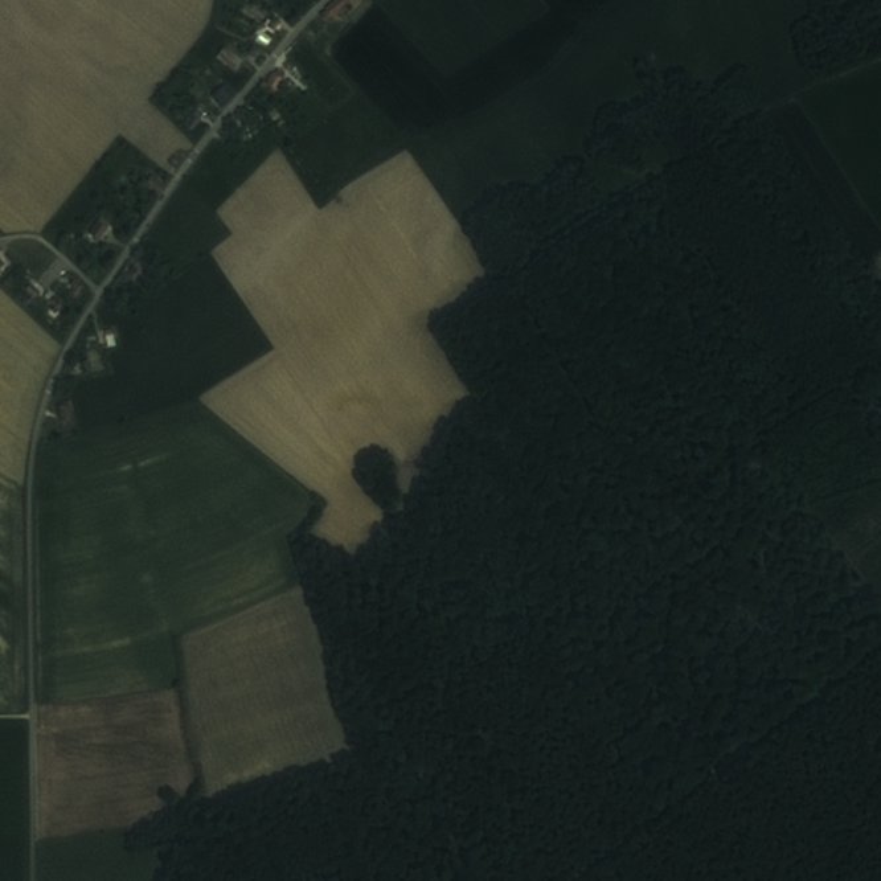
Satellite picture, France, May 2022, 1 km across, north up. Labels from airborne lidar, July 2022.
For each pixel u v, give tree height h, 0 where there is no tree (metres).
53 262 0
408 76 0
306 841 22
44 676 0
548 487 31
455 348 25
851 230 0
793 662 32
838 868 25
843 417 8
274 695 0
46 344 0
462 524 32
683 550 28
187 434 0
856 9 18
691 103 23
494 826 25
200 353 0
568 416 26
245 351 0
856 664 20
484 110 0
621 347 26
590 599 28
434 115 0
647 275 26
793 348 9
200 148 0
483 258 20
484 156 0
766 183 25
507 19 0
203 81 0
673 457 27
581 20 0
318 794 27
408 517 15
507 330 29
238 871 27
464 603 29
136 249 13
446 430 24
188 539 0
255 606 0
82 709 0
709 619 31
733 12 0
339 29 0
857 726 22
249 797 23
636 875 27
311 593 22
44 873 0
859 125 0
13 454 0
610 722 32
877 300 26
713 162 13
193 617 0
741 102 17
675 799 20
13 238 0
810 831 21
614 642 32
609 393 25
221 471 0
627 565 29
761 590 29
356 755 23
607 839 23
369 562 27
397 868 26
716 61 0
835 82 0
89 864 0
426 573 24
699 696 28
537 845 24
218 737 0
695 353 18
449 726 9
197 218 0
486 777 8
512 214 18
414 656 11
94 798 0
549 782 26
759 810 23
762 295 10
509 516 32
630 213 26
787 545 14
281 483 0
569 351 30
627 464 26
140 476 0
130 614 0
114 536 0
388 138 0
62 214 0
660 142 11
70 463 0
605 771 26
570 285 28
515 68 0
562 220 10
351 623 32
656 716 30
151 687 0
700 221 11
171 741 0
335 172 0
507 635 28
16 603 0
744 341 22
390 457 15
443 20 0
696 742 32
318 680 0
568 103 0
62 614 0
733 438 29
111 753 0
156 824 17
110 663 0
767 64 0
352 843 20
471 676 25
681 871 24
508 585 13
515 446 27
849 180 0
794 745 24
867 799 23
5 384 0
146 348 0
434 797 29
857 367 9
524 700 25
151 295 25
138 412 0
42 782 0
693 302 22
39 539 0
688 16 0
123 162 0
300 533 11
